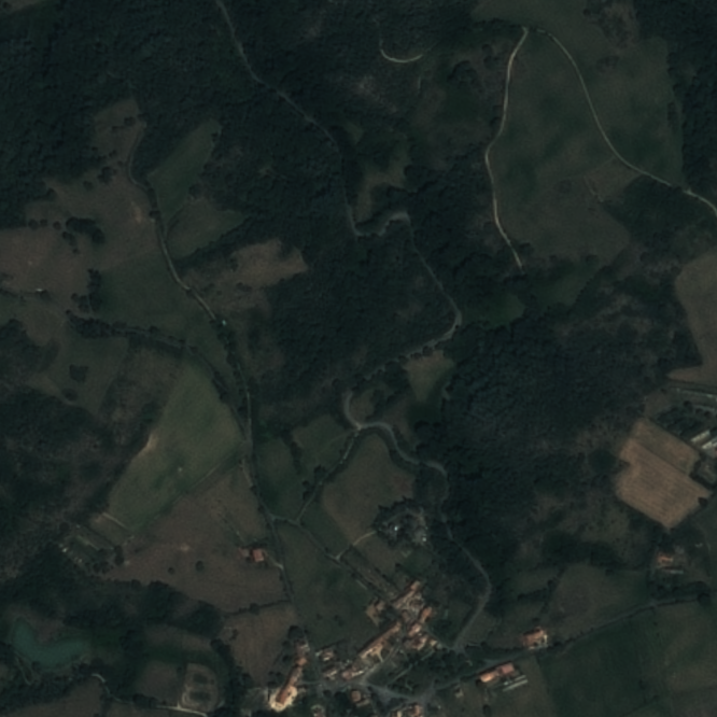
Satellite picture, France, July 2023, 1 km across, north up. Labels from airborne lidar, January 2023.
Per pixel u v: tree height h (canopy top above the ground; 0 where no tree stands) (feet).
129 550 0
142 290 0
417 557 0
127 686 21
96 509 21
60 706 0
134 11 28
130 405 0
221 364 0
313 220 49
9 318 0
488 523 25
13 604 37
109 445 0
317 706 0
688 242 0
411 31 22
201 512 0
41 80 88
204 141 0
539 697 0
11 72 47
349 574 0
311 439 0
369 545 0
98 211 0
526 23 0
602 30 0
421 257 51
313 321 38
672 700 0
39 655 0
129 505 0
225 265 0
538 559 0
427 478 40
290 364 19
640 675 0
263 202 25
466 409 30
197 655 0
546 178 0
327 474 42
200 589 0
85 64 56
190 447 0
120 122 0
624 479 0
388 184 0
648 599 0
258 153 35
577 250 0
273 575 0
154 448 0
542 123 0
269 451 0
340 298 39
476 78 32
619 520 0
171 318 0
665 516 0
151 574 0
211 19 54
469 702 0
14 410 23
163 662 0
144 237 0
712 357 0
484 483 78
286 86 60
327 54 28
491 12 0
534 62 0
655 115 0
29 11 0
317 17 21
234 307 0
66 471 0
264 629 0
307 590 0
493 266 62
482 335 24
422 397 0
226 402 36
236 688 46
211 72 30
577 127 0
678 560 0
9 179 25
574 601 0
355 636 0
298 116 70
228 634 0
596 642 0
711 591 20
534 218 0
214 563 0
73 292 0
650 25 38
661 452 0
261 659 0
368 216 0
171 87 30
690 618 0
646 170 0
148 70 34
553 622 0
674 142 0
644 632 0
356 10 44
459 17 26
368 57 32
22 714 0
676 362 34
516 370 70
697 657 0
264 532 0
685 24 61
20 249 0
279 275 0
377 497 0
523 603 43
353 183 54
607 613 0
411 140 24
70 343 0
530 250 49
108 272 0
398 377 22
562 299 0
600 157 0
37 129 59
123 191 0
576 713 0
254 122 66
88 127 49
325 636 0
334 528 0
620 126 0
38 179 34
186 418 0
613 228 0
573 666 0
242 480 0
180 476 0
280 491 0
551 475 18
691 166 37
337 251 23
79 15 67
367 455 0
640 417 0
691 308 0
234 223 0
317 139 69
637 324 0
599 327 0
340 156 54
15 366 0
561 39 0
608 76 0
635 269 0
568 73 0
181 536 0
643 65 0
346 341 49
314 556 0
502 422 47
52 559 33
